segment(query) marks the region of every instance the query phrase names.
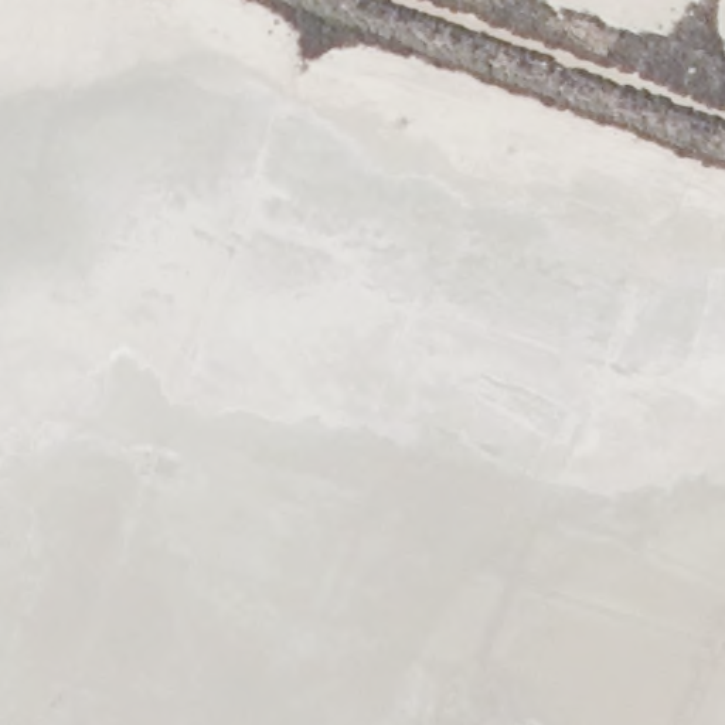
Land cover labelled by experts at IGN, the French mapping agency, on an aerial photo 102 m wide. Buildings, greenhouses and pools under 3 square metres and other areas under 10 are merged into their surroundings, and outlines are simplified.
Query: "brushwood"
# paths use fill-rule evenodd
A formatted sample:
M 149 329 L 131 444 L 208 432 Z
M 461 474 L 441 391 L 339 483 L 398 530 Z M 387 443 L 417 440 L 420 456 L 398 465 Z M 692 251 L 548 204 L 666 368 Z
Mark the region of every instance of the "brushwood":
M 671 150 L 680 159 L 694 159 L 705 167 L 725 170 L 725 119 L 691 110 L 685 105 L 674 105 L 666 96 L 620 85 L 583 68 L 566 68 L 549 54 L 513 45 L 507 40 L 464 28 L 459 23 L 425 11 L 413 11 L 408 8 L 411 0 L 263 0 L 297 31 L 303 59 L 317 59 L 326 51 L 354 45 L 379 48 L 396 57 L 413 57 L 433 68 L 467 74 L 484 85 L 535 99 L 555 110 L 575 113 L 595 125 L 626 130 L 643 142 Z
M 685 17 L 674 25 L 671 34 L 637 34 L 623 28 L 615 45 L 606 54 L 600 54 L 586 48 L 578 37 L 566 31 L 547 28 L 555 11 L 555 0 L 453 0 L 462 11 L 470 11 L 490 25 L 541 40 L 552 48 L 569 51 L 578 59 L 640 74 L 643 79 L 668 85 L 677 93 L 694 96 L 714 108 L 725 108 L 725 0 L 683 0 Z

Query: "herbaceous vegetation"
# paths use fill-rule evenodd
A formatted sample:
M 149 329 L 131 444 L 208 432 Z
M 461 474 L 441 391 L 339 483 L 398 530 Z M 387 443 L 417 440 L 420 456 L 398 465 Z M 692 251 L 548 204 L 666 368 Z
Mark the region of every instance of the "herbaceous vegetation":
M 586 11 L 555 11 L 547 28 L 566 31 L 578 37 L 586 48 L 600 54 L 606 54 L 615 45 L 623 28 L 615 28 L 603 23 L 598 14 Z

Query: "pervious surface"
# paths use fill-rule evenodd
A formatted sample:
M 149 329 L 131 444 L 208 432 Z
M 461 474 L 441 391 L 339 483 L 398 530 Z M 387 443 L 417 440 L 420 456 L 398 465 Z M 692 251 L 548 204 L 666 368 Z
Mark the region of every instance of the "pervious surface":
M 354 45 L 326 51 L 317 59 L 303 59 L 297 31 L 263 0 L 0 0 L 0 725 L 725 725 L 725 170 L 705 167 L 694 159 L 680 159 L 671 150 L 643 142 L 626 130 L 595 125 L 575 113 L 555 110 L 535 99 L 484 85 L 467 74 L 433 68 L 413 57 L 396 57 L 379 48 Z
M 671 34 L 674 25 L 685 17 L 683 0 L 555 0 L 555 11 L 586 11 L 598 14 L 603 23 L 615 28 L 623 28 L 637 34 Z
M 513 45 L 549 54 L 566 68 L 583 68 L 620 85 L 666 96 L 674 105 L 685 105 L 691 110 L 725 119 L 725 108 L 714 108 L 694 96 L 677 93 L 668 85 L 643 79 L 640 74 L 578 59 L 569 51 L 552 48 L 541 40 L 490 25 L 470 11 L 462 11 L 453 0 L 411 0 L 408 8 L 413 11 L 425 11 L 459 23 L 464 28 L 507 40 Z

